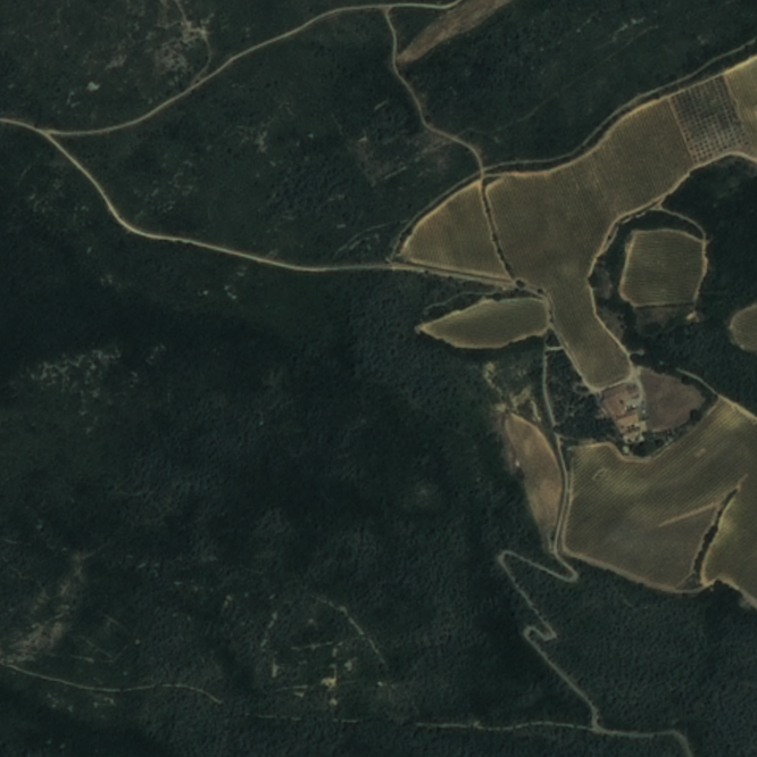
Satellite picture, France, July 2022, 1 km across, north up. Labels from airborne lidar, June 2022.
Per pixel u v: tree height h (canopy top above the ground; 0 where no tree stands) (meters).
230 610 10
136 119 0
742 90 0
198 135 6
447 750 10
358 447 6
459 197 0
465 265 0
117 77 0
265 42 0
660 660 12
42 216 8
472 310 0
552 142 6
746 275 8
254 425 8
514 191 0
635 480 0
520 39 11
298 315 0
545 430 0
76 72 0
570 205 0
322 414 6
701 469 0
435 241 0
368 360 11
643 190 0
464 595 10
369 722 12
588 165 0
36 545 8
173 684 10
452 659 12
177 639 9
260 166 0
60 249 10
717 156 0
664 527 0
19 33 0
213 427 9
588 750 12
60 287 8
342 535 10
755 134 0
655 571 0
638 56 0
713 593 7
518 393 0
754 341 0
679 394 0
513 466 0
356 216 6
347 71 12
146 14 0
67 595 0
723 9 0
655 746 6
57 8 0
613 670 12
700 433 0
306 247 0
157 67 0
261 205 0
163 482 8
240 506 7
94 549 6
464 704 13
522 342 7
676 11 0
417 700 9
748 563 0
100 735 10
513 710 6
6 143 6
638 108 0
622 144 0
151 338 8
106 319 7
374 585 10
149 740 6
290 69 0
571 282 0
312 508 8
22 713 7
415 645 9
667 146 0
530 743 11
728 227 6
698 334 13
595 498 0
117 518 7
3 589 8
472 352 6
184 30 0
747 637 12
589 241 0
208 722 11
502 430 0
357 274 6
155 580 10
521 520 10
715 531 9
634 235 0
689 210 5
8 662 8
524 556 12
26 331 10
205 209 0
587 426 8
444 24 0
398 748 11
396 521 8
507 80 9
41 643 0
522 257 0
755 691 12
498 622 6
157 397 6
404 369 7
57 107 0
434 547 7
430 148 0
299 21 0
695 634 9
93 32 0
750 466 0
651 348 10
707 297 8
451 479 8
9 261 6
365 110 8
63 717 8
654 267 0
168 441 7
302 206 10
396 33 0
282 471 9
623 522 0
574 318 0
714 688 13
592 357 0
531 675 8
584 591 8
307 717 11
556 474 0
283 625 8
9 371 6
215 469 12
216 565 8
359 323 11
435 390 9
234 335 7
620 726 10
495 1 0
